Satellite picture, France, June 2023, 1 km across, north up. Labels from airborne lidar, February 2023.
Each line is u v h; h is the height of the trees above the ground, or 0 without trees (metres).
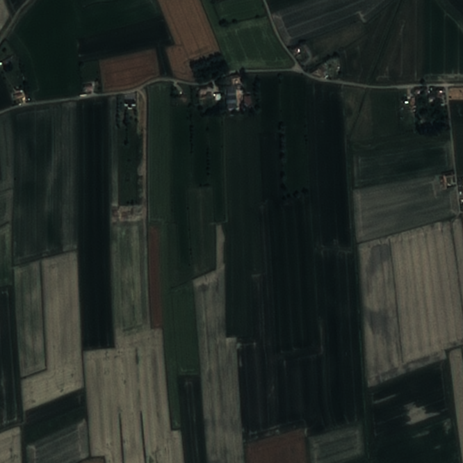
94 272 0
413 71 0
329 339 0
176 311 0
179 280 0
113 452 0
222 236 0
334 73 0
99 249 0
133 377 0
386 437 0
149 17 0
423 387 0
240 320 0
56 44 0
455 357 0
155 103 0
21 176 0
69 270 0
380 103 0
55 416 0
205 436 0
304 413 0
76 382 0
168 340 0
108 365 0
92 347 0
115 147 0
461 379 0
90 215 0
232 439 0
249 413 0
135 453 0
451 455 0
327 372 0
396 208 0
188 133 0
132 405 0
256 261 0
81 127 0
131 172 0
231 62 0
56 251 0
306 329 0
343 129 0
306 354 0
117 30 0
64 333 0
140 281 0
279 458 0
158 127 0
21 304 0
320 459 0
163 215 0
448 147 0
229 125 0
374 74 0
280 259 0
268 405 0
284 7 0
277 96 0
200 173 0
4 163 0
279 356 0
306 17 0
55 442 0
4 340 0
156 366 0
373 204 0
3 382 0
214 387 0
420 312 0
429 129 24
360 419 0
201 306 0
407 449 0
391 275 0
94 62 0
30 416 0
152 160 0
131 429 0
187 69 0
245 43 0
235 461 0
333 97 0
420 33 0
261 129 0
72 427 0
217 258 0
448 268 0
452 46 0
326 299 0
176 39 0
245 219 0
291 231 0
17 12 0
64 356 0
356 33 0
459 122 0
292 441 0
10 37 0
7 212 0
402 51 0
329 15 0
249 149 0
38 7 0
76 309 0
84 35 0
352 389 0
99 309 0
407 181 0
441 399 0
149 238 0
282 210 0
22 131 0
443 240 0
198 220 0
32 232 0
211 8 0
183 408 0
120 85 0
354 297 0
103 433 0
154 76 0
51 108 0
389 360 0
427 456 0
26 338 0
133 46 0
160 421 0
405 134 0
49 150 0
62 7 0
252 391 0
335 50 0
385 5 0
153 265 0
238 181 0
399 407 0
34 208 0
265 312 0
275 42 0
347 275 0
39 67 0
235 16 0
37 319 0
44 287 0
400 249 0
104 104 0
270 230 0
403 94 0
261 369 0
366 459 0
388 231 0
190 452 0
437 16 0
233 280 0
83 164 0
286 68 0
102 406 0
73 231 0
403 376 0
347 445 0
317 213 0
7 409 0
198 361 0
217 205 0
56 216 0
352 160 0
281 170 0
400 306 0
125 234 0
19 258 0
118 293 0
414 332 0
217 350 0
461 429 0
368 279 0
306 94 0
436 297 0
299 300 0
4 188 0
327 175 0
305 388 0
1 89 0
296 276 0
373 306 0
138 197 0
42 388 0
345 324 0
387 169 0
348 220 0
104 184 0
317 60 0
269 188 0
